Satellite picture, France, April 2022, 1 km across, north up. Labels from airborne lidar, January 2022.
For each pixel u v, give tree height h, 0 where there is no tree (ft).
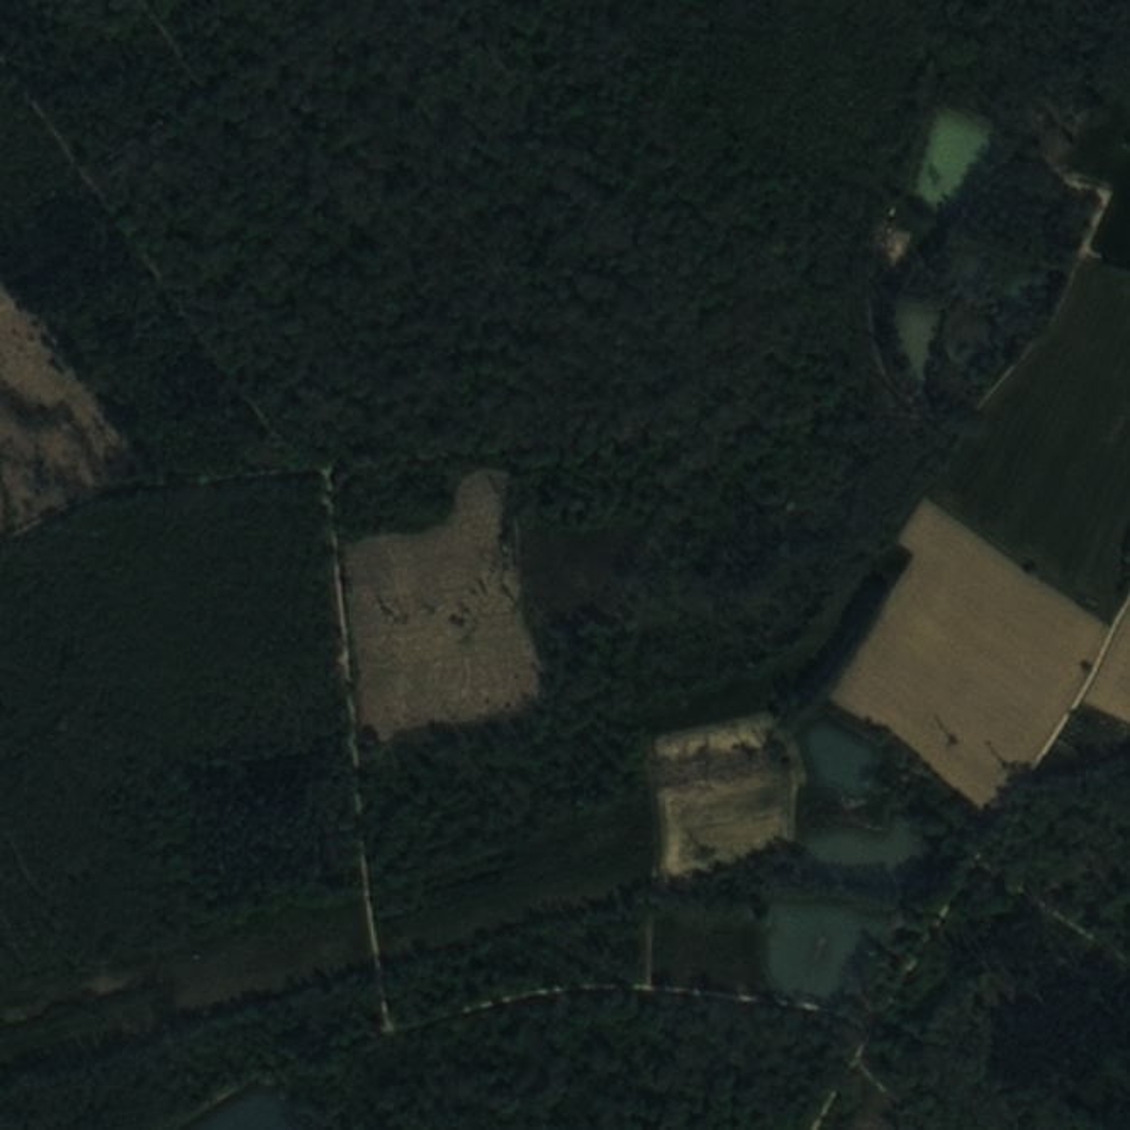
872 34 55
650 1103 92
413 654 0
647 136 72
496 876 23
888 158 88
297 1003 33
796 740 0
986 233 121
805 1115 86
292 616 66
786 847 46
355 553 0
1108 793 111
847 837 0
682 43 49
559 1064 109
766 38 72
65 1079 110
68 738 62
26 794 73
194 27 27
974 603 0
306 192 83
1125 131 0
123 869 69
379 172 100
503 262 99
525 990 86
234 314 72
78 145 29
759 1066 100
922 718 0
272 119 80
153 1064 69
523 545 0
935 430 66
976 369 51
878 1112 0
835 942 0
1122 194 0
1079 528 0
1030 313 75
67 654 23
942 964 41
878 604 79
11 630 55
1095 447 0
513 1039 107
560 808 65
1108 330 0
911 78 56
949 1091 76
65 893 69
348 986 49
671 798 0
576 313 106
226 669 56
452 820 69
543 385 92
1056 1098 86
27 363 0
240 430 66
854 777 0
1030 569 25
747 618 52
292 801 65
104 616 64
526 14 82
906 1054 79
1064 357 0
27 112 31
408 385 90
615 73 56
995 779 0
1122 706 0
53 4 85
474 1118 97
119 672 58
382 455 91
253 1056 51
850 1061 88
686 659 93
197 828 76
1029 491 0
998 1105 86
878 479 83
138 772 60
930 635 0
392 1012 73
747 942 0
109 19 88
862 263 82
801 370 105
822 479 63
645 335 99
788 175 68
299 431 79
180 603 69
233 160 85
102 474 64
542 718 94
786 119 59
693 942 0
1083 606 0
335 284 94
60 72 31
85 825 64
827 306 64
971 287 47
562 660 86
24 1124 86
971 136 0
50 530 67
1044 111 63
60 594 68
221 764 66
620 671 71
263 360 74
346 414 93
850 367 100
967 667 0
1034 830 106
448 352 77
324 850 77
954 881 80
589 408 97
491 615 0
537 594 0
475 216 74
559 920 100
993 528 0
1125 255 0
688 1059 111
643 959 117
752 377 87
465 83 101
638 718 57
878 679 0
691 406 106
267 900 67
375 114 101
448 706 0
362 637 0
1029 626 0
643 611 106
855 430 52
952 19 62
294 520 64
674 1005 105
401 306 79
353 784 69
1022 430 0
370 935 0
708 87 48
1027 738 0
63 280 89
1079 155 0
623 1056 110
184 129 58
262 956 0
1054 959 74
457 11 82
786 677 0
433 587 0
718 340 75
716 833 0
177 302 70
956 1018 104
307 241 98
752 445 87
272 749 63
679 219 66
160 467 44
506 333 96
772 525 73
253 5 57
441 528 0
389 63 89
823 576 83
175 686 60
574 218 95
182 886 85
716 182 46
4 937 67
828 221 80
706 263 80
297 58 83
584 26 80
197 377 99
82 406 0
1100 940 70
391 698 0
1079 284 0
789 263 94
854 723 0
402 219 97
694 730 0
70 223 92
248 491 69
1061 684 0
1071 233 80
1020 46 107
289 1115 0
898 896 97
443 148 105
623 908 75
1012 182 80
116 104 29
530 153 96
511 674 0
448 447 70
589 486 99
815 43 70
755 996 0
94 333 40
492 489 0
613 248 93
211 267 91
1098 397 0
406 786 24
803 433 94
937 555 0
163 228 90
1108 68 92
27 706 60
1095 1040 85
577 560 0
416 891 26
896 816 0
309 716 66
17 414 76
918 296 79
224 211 92
